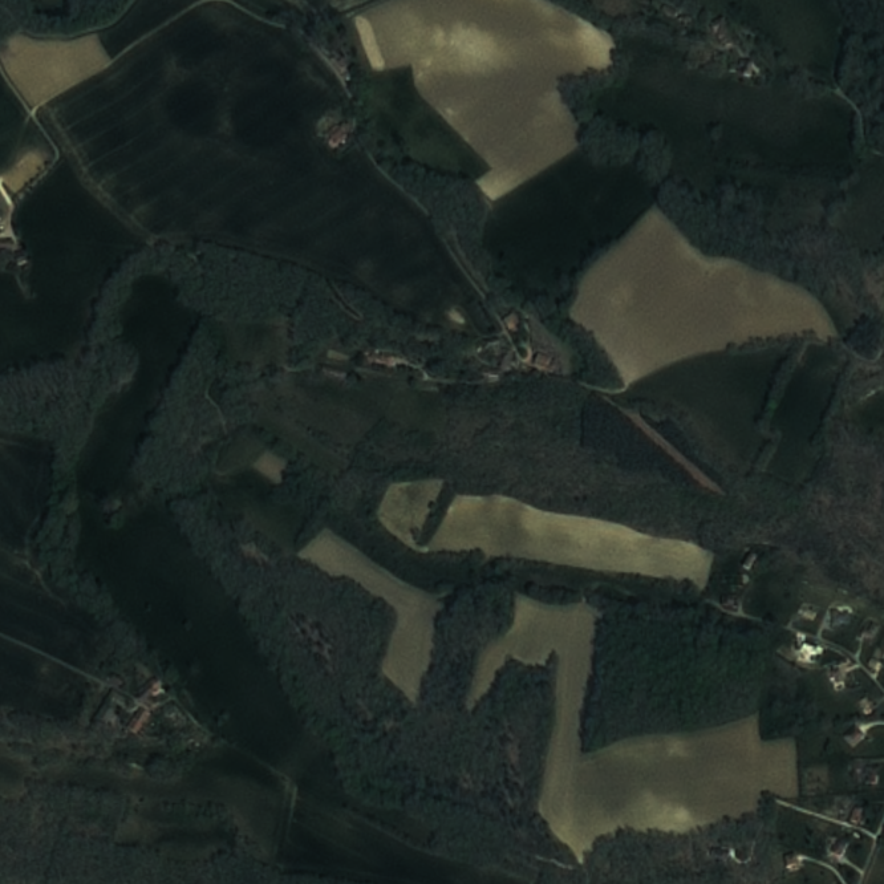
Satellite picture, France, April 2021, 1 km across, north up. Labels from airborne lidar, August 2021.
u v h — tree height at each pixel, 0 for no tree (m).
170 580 0
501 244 0
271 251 0
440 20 0
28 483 0
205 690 0
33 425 14
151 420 13
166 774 25
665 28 18
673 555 0
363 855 0
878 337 14
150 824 0
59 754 13
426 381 0
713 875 14
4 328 0
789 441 0
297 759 0
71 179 0
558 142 0
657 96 0
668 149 21
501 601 18
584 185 0
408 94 0
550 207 0
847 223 0
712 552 14
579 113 18
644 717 13
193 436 10
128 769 18
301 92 0
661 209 17
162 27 0
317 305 24
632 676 16
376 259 0
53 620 0
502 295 15
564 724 0
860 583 10
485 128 0
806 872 0
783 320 0
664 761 0
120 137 0
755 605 0
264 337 0
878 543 13
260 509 0
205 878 11
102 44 0
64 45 0
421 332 16
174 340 0
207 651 0
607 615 20
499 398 17
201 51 0
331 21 18
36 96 0
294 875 8
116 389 20
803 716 7
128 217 0
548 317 19
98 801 18
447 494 8
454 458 14
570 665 0
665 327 0
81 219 0
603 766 0
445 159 0
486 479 9
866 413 0
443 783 15
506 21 0
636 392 0
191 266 21
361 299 17
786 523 13
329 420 0
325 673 10
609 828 0
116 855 17
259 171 0
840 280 12
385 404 0
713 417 0
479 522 0
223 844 0
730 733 0
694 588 17
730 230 20
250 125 0
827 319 0
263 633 16
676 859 11
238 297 18
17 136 0
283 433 0
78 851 15
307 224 0
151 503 0
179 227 0
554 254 0
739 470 10
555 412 10
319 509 14
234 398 22
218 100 0
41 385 21
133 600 0
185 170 0
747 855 13
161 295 0
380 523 9
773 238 19
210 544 20
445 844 15
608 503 11
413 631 0
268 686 0
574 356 0
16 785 0
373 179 0
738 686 17
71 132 0
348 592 16
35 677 0
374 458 8
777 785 0
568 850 9
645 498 12
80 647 0
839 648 0
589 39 0
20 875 18
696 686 17
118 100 0
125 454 0
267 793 0
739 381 0
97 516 0
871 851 0
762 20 0
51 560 10
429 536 8
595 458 12
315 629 9
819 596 0
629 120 0
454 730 13
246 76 0
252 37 0
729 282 0
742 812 0
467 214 22
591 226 0
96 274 0
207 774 0
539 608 0
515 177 0
